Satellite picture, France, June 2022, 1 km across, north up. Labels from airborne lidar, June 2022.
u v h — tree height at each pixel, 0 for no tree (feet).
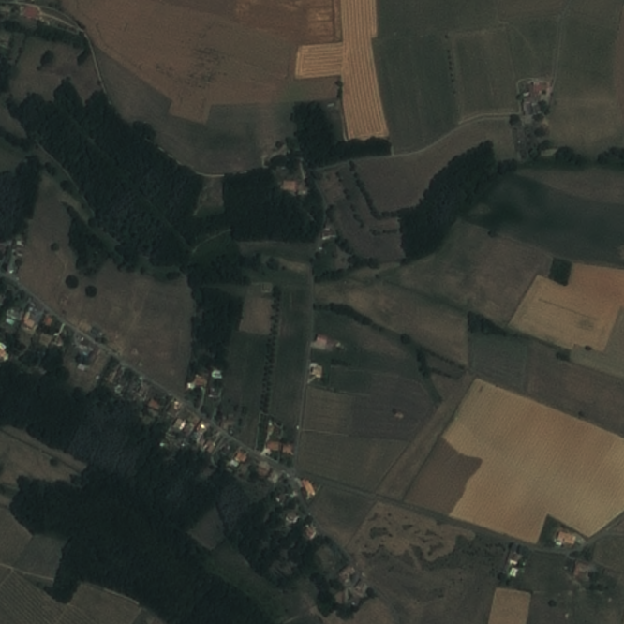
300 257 0
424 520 0
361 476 0
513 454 0
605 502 0
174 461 26
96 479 60
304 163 29
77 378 0
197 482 54
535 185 0
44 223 0
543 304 0
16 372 50
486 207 0
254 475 39
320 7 0
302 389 0
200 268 47
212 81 0
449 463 0
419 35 0
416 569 0
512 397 0
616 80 0
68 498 43
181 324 0
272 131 0
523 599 0
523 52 0
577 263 0
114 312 0
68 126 59
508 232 0
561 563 0
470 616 0
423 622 0
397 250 0
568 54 0
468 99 0
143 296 0
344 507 0
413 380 0
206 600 65
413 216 53
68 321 0
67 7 0
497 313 0
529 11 0
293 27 0
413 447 0
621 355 0
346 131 0
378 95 0
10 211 60
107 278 0
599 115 0
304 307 0
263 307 0
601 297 0
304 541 37
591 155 0
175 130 0
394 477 0
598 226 0
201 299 24
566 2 0
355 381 0
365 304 0
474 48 0
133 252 56
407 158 0
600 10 0
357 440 0
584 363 0
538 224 0
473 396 0
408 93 0
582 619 0
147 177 50
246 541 65
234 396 0
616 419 0
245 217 44
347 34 0
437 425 0
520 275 0
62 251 0
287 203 53
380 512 0
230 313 43
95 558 32
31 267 0
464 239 0
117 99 0
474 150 27
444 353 0
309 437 0
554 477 0
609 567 0
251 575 0
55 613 0
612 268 0
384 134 0
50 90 0
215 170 0
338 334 0
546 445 0
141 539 52
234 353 0
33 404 81
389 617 0
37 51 0
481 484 0
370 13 0
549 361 0
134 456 76
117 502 42
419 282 0
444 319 0
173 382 0
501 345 0
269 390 28
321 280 37
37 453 0
